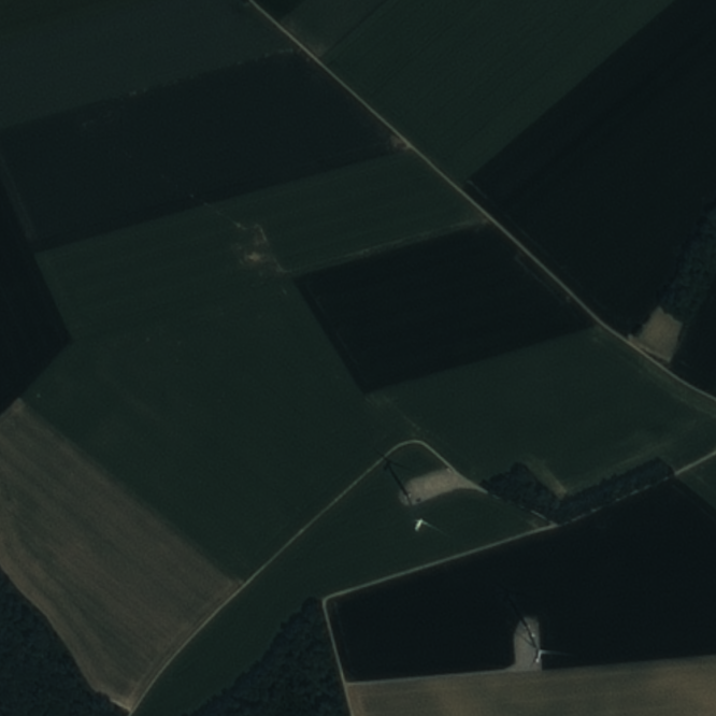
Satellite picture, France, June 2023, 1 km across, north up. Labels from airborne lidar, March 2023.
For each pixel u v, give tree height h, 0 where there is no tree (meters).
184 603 0
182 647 0
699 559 0
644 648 0
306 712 8
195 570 0
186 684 0
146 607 0
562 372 0
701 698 0
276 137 0
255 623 0
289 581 0
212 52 0
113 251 0
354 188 0
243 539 0
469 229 0
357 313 0
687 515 0
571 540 0
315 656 20
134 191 0
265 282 0
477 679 0
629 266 0
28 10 0
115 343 0
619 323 0
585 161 0
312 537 0
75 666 19
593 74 0
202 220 0
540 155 0
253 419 0
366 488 0
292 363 0
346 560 0
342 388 0
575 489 0
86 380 0
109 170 0
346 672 0
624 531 0
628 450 0
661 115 0
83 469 0
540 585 0
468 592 0
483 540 0
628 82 0
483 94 0
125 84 0
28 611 23
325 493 0
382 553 0
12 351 0
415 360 0
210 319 0
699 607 0
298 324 0
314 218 0
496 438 0
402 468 0
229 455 0
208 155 0
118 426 0
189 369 0
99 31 0
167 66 0
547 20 0
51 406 0
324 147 0
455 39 0
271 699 21
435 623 0
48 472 0
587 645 0
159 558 0
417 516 0
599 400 0
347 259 0
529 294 0
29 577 0
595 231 0
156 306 0
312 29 0
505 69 0
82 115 0
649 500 0
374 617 0
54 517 0
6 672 26
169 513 0
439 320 0
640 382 0
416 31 0
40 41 0
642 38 0
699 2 0
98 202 0
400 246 0
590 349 0
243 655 0
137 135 0
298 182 0
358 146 0
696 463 0
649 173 0
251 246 0
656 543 0
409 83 0
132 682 0
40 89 0
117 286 0
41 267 0
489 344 0
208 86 0
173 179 0
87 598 0
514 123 0
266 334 0
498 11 0
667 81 0
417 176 0
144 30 0
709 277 20
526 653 0
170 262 0
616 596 0
